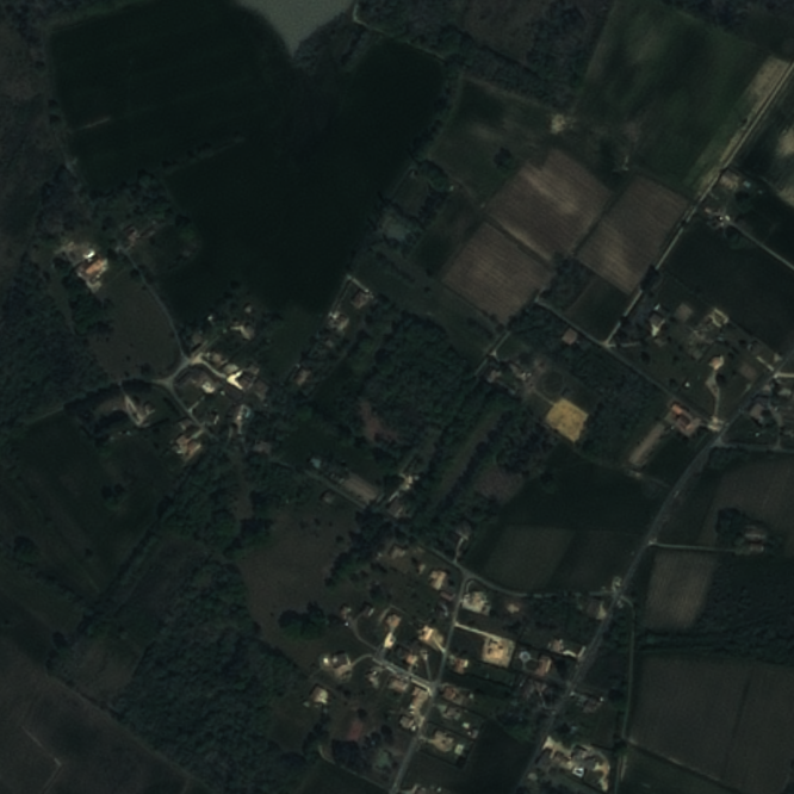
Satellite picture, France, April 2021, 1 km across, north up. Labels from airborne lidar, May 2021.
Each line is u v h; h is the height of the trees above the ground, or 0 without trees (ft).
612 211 0
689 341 0
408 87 0
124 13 0
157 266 0
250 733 51
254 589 0
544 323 35
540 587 0
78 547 0
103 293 0
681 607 0
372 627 0
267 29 0
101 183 0
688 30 0
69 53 0
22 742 0
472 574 0
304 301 0
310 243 0
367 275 0
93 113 0
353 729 0
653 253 0
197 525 33
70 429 0
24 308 32
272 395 45
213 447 35
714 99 0
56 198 68
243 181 0
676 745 0
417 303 0
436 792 0
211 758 56
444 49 54
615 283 0
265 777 56
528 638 0
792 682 0
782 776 0
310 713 0
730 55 0
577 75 52
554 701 23
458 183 0
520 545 0
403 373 33
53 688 0
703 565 0
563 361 60
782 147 0
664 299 0
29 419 43
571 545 0
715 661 0
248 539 60
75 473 0
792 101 0
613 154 0
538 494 0
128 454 0
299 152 0
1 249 0
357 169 0
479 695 31
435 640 0
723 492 0
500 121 0
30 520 0
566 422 0
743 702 0
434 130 23
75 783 0
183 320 0
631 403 52
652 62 0
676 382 19
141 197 33
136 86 0
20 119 19
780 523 0
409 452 40
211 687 29
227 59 0
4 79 0
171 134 0
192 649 44
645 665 0
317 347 35
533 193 0
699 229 0
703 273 0
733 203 0
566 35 56
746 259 0
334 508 0
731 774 0
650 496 0
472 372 43
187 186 0
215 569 24
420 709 0
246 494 0
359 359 49
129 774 0
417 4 59
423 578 0
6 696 0
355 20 0
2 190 0
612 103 0
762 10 31
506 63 40
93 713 0
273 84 0
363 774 46
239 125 0
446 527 43
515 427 49
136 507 0
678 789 0
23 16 39
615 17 0
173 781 0
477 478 57
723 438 0
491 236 0
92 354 23
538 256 0
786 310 0
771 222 0
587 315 0
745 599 19
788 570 0
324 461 31
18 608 0
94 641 46
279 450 45
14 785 0
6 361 37
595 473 0
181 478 21
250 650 65
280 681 53
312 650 0
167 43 0
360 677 0
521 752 0
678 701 0
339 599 0
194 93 0
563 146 0
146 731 21
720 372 0
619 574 0
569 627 37
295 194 0
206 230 0
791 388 0
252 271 0
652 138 0
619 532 0
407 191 0
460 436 46
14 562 51
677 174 0
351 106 0
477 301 0
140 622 20
